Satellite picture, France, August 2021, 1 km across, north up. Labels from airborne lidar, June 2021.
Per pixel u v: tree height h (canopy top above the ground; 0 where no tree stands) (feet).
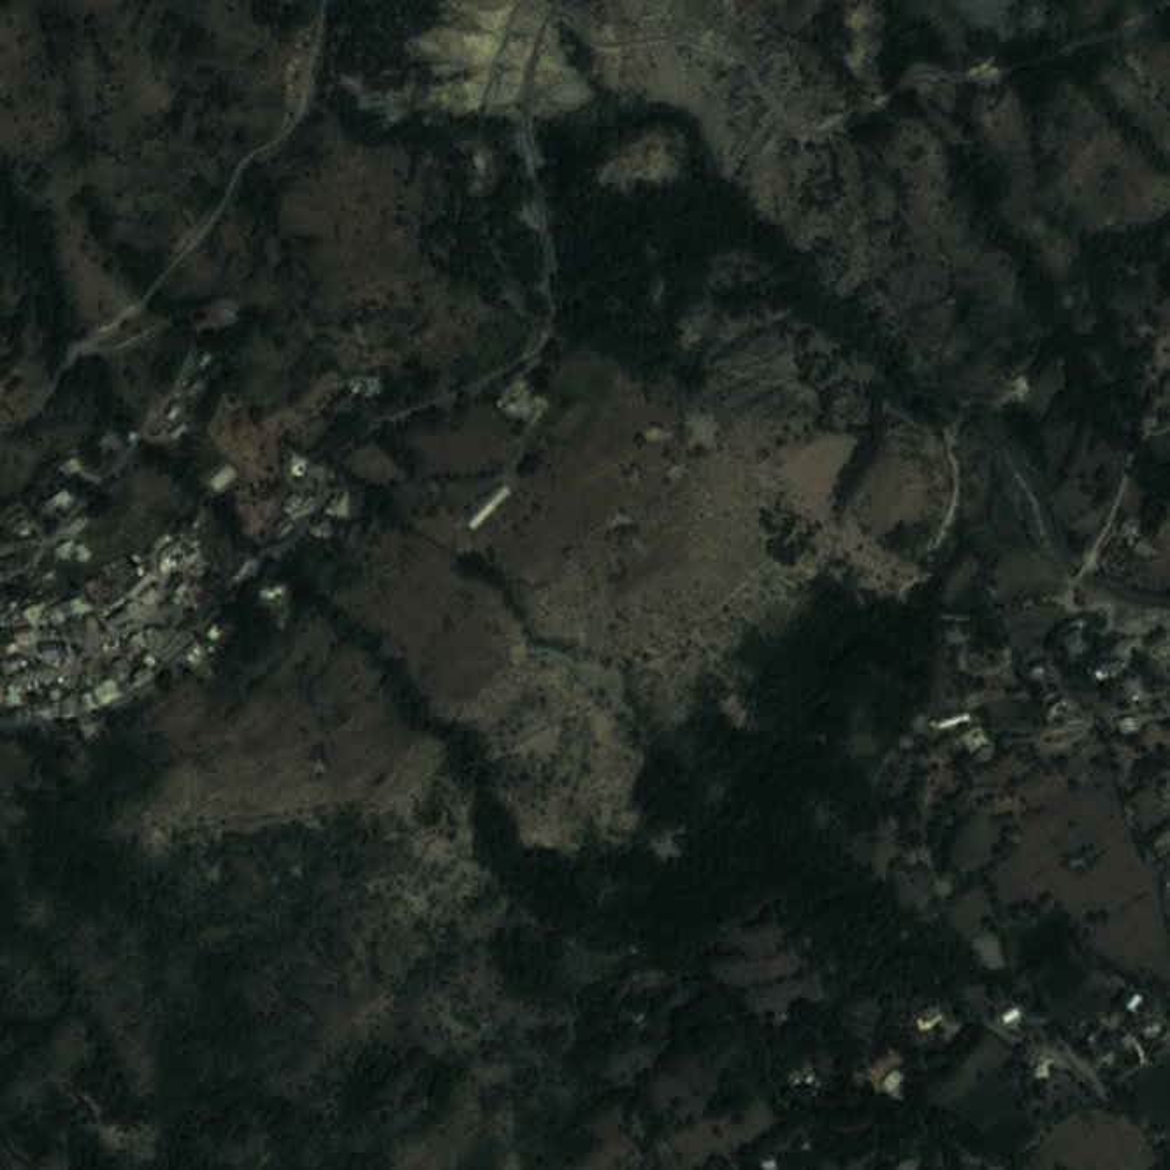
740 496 0
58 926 24
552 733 0
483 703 0
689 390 25
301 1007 27
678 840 40
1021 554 0
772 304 24
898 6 37
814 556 25
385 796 0
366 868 25
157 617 0
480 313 0
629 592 0
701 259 35
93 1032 41
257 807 0
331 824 18
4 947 20
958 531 25
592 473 0
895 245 34
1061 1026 20
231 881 21
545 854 44
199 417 22
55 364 20
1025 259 43
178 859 18
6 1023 33
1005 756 30
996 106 21
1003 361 26
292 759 0
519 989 38
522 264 34
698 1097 26
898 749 21
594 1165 0
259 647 36
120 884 42
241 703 22
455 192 22
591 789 0
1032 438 22
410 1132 23
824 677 50
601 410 0
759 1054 47
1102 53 17
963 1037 31
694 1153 0
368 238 0
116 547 0
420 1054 45
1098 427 40
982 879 25
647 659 26
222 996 25
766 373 0
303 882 20
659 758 42
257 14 31
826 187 28
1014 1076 44
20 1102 29
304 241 23
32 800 22
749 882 58
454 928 30
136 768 22
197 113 19
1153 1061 25
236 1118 50
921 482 0
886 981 37
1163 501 35
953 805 47
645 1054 0
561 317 25
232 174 0
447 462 0
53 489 35
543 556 0
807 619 20
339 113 31
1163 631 29
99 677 0
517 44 0
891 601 44
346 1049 27
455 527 0
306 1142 39
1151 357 28
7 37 0
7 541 23
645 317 52
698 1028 18
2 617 0
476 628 0
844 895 39
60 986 32
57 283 33
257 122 0
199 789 0
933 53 41
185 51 24
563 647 27
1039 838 0
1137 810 24
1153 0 41
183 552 0
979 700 0
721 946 28
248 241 23
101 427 42
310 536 21
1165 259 24
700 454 21
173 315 48
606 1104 43
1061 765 39
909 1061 41
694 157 19
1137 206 0
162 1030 18
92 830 22
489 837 65
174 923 27
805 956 28
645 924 79
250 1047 23
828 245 25
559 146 24
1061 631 41
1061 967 0
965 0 0
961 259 0
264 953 24
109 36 0
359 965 22
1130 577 19
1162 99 21
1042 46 44
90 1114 24
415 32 25
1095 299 31
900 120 20
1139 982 24
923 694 43
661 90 0
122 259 23
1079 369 34
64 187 0
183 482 27
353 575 25
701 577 0
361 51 28
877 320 36
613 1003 61
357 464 0
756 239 30
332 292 0
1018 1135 0
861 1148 32
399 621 0
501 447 0
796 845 48
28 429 26
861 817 57
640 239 35
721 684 29
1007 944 35
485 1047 30
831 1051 19
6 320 24
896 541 23
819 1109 31
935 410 32
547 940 26
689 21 0
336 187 0
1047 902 30
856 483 28
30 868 18
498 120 27
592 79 19
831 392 24
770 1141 40
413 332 18
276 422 0
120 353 0
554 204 41
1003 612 22
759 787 59
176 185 0
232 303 0
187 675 39
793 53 18
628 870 48
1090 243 42
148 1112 53
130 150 0
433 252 20
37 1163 33
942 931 29
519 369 21
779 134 0
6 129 0
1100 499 28
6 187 29
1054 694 21
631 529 28
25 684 0
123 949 19
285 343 37
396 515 38
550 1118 32
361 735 0
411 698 42
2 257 28
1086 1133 0
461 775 25
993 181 47
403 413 0
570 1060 34
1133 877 0
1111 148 0
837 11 22
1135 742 36
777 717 37
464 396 30
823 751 47
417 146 32
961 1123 28
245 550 29
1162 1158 38
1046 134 36
